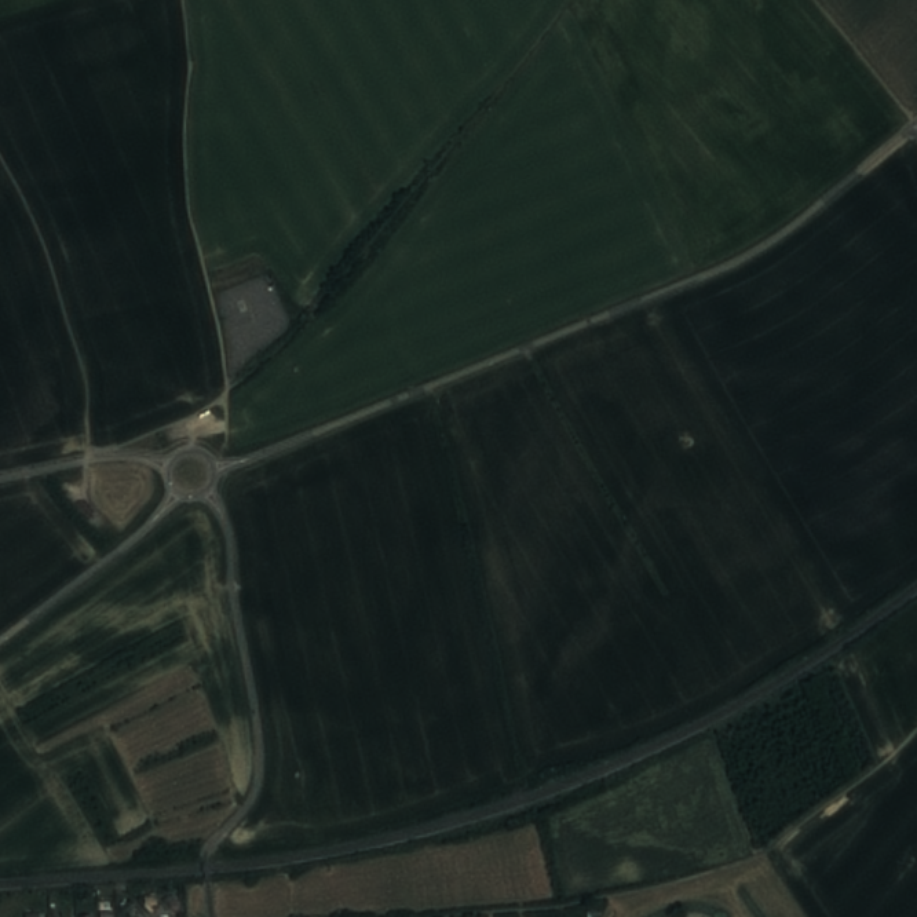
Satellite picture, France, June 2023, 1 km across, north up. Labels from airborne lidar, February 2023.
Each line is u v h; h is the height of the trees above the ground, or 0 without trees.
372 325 0
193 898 0
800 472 0
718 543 0
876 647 0
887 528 0
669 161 0
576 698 0
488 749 0
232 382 0
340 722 0
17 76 0
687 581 0
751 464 0
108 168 0
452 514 0
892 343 0
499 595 0
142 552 0
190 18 0
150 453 0
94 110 0
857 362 0
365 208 0
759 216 0
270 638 0
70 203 0
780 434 0
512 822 14
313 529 0
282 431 0
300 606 0
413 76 0
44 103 0
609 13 0
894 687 0
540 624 0
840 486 0
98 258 0
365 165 0
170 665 0
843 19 0
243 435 0
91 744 0
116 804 0
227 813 0
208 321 0
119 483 0
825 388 0
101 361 0
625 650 0
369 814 0
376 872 0
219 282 0
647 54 0
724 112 0
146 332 0
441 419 0
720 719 0
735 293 0
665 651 0
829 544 0
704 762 0
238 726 0
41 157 0
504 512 0
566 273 0
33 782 0
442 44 0
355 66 0
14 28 0
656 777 0
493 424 0
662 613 0
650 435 0
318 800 0
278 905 0
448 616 0
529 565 0
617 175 0
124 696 0
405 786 0
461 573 0
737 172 0
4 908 0
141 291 0
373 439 0
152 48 0
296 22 0
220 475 0
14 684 0
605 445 0
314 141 0
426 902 0
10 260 0
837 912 0
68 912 0
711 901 0
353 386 0
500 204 0
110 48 0
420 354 0
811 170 0
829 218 0
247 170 0
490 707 0
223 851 0
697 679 0
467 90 0
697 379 0
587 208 0
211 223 0
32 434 0
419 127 0
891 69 0
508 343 0
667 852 0
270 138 0
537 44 0
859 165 0
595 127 0
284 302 0
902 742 0
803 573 0
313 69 0
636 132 0
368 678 0
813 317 0
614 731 0
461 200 0
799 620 0
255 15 0
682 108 0
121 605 0
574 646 0
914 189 0
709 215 0
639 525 0
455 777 0
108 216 0
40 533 0
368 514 0
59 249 0
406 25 0
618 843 0
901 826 0
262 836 0
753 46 0
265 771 0
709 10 0
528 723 0
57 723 0
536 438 0
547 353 0
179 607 0
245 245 0
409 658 0
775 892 0
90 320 0
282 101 0
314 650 0
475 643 0
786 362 0
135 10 0
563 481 0
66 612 0
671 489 0
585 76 0
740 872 0
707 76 0
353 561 0
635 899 0
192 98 0
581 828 0
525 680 0
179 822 0
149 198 0
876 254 0
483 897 0
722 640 0
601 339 0
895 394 0
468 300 0
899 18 0
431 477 0
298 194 0
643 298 0
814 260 0
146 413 0
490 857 0
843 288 0
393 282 0
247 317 0
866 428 0
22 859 0
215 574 0
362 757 0
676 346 0
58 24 0
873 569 0
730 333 0
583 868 0
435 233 0
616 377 0
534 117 0
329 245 0
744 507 0
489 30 0
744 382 0
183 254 0
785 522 0
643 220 0
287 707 0
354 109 0
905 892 0
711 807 0
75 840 0
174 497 0
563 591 0
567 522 0
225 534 0
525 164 0
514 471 0
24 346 0
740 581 0
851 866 0
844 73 0
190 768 0
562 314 0
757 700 0
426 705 0
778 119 0
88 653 0
